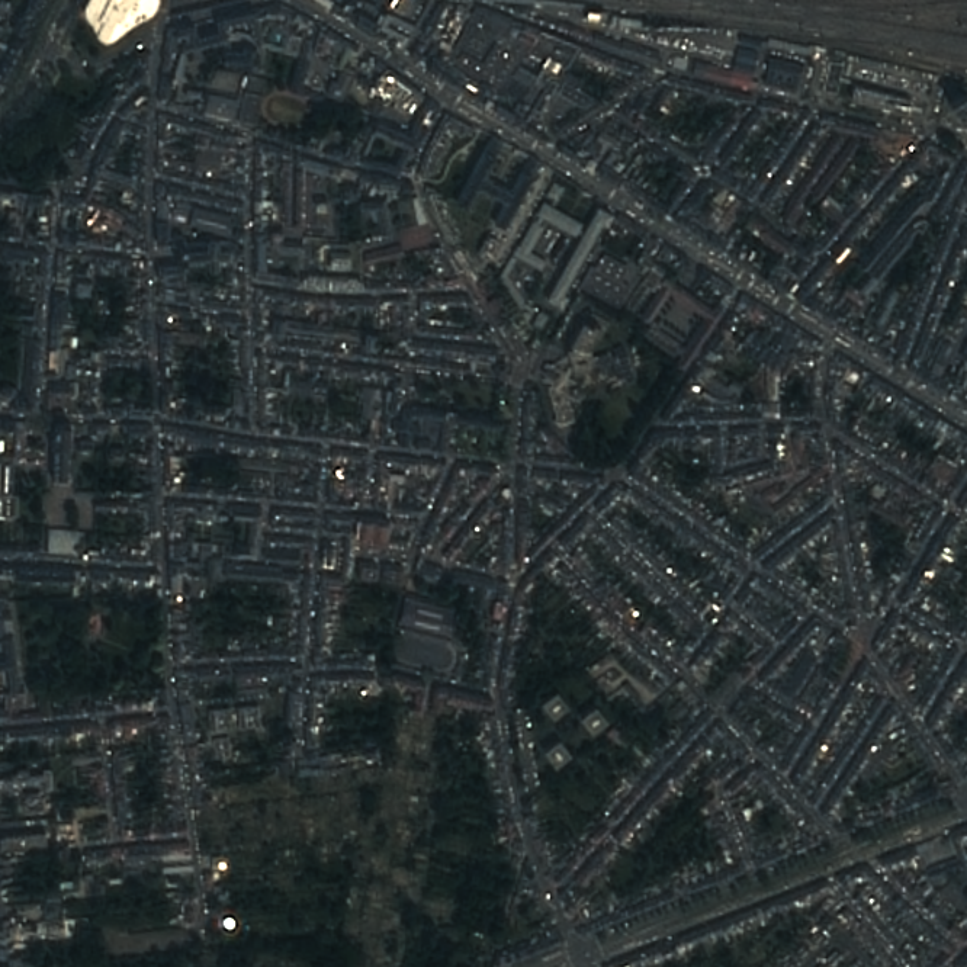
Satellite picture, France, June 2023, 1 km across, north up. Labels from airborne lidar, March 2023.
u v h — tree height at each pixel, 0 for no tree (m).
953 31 0
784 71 0
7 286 7
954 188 0
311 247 0
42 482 17
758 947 0
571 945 0
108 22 0
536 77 0
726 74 0
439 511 0
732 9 0
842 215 0
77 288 0
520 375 0
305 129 12
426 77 0
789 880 0
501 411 16
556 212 0
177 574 0
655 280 0
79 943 18
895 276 11
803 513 0
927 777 7
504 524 0
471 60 0
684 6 0
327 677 0
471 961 6
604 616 0
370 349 0
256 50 0
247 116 0
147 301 0
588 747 11
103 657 8
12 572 0
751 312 0
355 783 0
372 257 0
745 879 11
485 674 0
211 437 0
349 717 6
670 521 0
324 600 0
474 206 0
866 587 0
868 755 0
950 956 0
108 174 0
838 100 0
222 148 0
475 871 17
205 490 0
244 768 7
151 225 0
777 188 0
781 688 0
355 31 0
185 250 0
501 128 0
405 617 0
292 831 0
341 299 0
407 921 18
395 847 0
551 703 0
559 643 8
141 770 16
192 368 7
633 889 11
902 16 0
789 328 0
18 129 26
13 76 14
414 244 0
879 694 0
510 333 0
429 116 0
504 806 0
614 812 0
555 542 0
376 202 0
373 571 0
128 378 6
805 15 0
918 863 0
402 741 0
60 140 8
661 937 0
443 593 16
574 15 0
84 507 0
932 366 0
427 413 0
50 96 24
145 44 0
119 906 6
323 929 15
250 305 0
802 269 0
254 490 0
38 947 16
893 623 0
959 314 0
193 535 0
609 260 0
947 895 0
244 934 8
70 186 0
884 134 0
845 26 0
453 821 7
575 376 9
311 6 0
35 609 18
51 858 18
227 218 0
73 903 12
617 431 0
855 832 9
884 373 0
